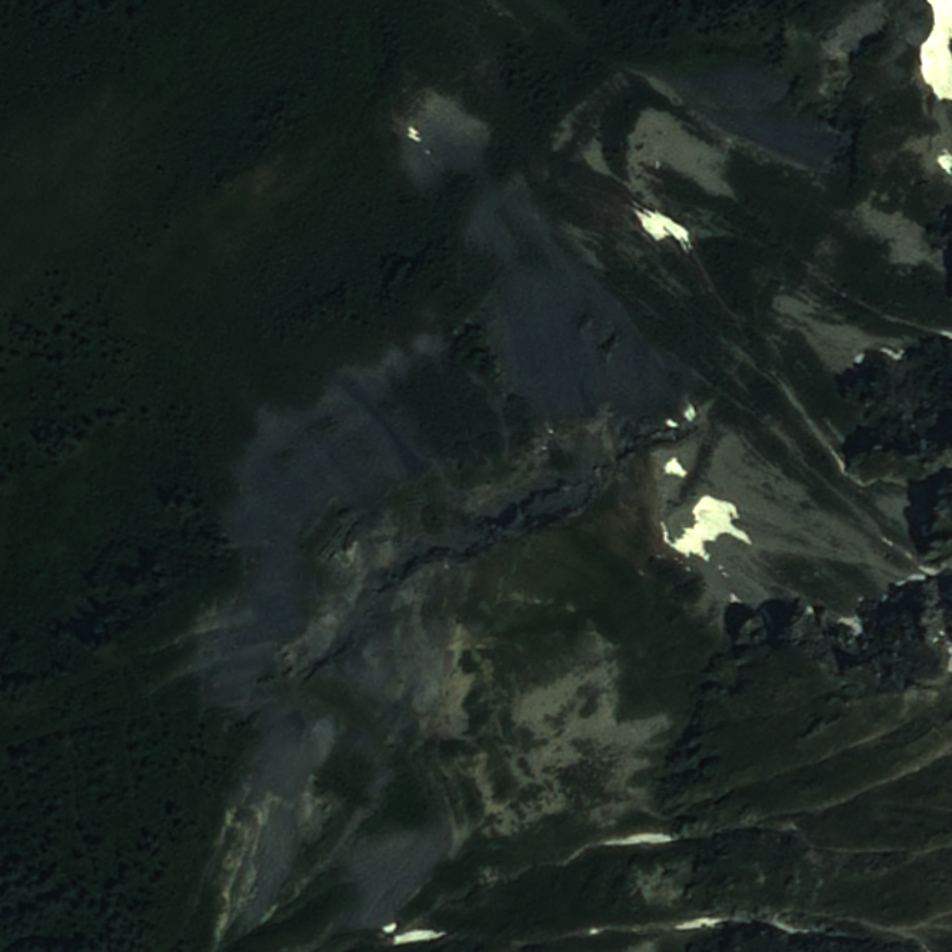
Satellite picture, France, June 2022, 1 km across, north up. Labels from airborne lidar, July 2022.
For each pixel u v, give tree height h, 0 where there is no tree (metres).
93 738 7
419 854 0
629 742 0
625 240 0
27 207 0
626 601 0
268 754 0
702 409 0
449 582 0
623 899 0
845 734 0
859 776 0
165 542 6
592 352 0
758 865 0
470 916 0
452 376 6
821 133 0
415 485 0
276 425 0
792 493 0
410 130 0
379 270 6
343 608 0
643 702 0
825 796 0
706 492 0
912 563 0
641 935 0
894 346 0
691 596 0
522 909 0
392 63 6
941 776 0
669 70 0
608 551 0
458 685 0
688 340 5
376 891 0
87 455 0
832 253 0
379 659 0
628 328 0
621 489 0
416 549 0
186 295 0
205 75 0
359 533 0
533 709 0
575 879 0
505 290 0
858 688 0
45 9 7
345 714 0
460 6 0
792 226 0
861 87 0
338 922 0
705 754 0
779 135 0
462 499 0
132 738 8
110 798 10
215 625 0
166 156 0
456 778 0
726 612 0
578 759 0
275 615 0
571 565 0
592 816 0
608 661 0
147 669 9
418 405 5
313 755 0
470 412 6
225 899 0
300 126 6
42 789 8
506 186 0
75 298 0
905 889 0
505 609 0
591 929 0
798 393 0
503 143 6
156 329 0
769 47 10
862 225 0
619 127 0
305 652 0
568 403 0
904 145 0
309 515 0
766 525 0
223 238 0
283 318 6
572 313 0
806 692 0
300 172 0
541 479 0
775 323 0
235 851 0
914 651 0
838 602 0
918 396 0
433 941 0
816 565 0
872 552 0
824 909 0
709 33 10
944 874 0
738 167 0
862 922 0
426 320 0
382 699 0
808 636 0
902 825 0
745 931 0
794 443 0
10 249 0
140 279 0
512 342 0
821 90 0
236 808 0
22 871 28
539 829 0
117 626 6
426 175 0
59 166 0
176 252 0
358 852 0
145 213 0
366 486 0
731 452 0
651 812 0
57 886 6
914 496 0
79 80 7
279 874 0
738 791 0
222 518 0
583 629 0
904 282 0
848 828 0
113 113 0
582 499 0
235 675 0
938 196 0
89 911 8
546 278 0
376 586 0
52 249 0
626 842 0
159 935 7
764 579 0
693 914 0
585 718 0
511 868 0
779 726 0
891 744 0
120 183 0
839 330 0
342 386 0
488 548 0
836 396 0
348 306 9
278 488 0
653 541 0
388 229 5
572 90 0
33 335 16
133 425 8
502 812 0
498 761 0
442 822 0
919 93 0
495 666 0
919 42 0
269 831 0
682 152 0
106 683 7
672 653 0
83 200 0
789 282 0
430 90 0
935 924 0
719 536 0
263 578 0
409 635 0
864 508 0
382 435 0
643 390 0
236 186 0
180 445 8
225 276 0
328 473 0
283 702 0
